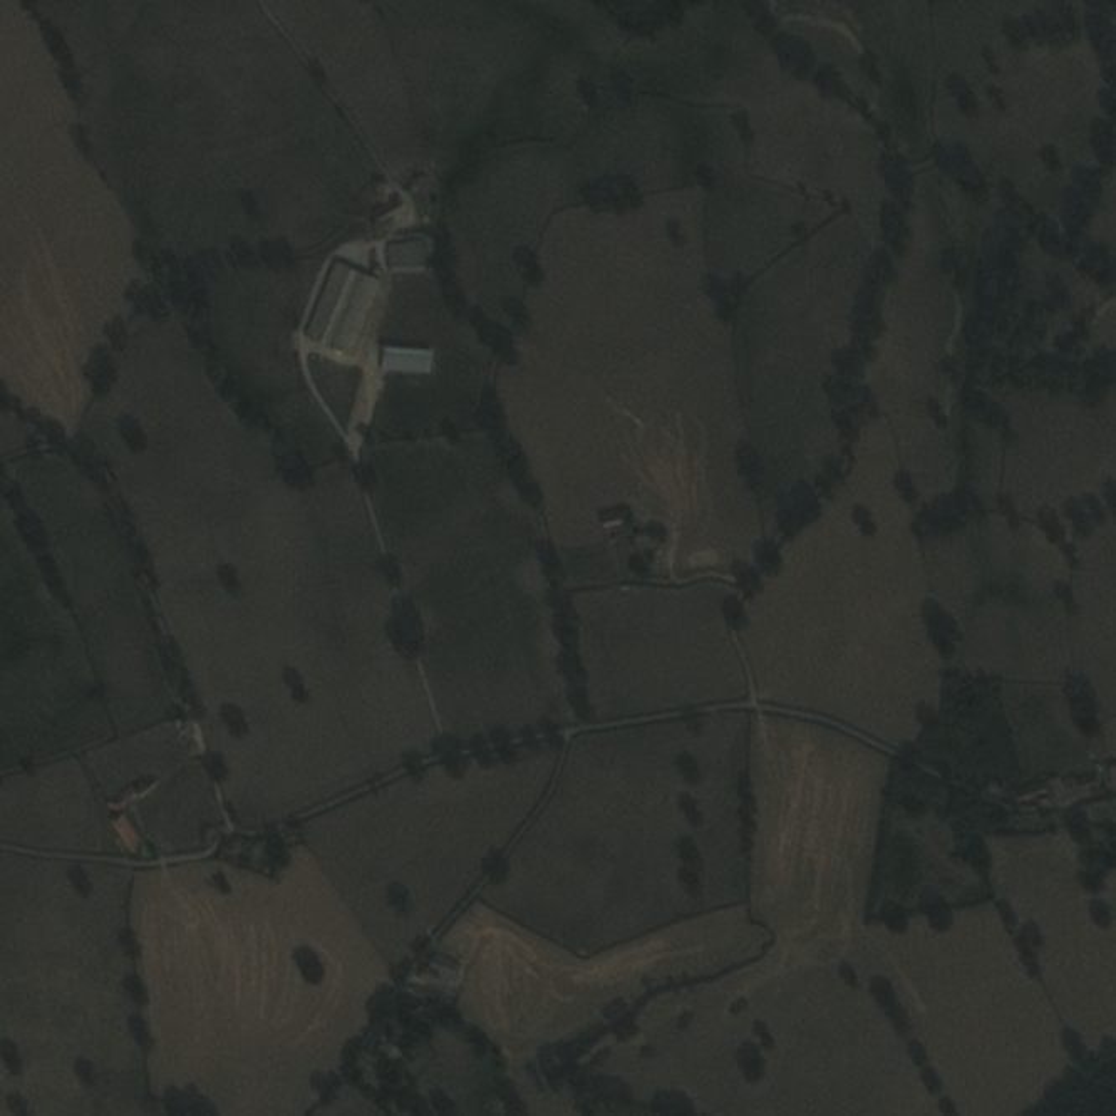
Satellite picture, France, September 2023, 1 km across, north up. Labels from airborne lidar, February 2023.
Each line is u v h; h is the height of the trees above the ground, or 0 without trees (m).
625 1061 0
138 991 16
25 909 0
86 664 0
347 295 0
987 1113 0
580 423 0
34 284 0
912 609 0
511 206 0
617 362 0
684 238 14
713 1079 0
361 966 0
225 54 0
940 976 0
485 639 0
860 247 0
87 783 0
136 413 0
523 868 0
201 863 0
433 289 0
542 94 0
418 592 0
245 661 0
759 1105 0
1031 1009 0
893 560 0
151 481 0
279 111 0
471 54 0
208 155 0
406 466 0
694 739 0
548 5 0
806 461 0
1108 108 18
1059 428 0
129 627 0
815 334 0
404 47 0
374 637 0
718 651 0
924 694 0
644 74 0
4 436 0
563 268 0
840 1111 0
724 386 0
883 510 0
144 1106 0
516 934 0
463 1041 0
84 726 0
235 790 0
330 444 0
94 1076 10
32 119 0
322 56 0
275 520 0
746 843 12
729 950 0
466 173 0
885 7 0
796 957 0
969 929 0
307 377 0
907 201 19
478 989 0
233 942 0
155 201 0
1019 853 0
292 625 0
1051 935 0
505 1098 19
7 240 0
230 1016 0
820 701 0
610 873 0
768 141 0
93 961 0
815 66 13
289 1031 0
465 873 0
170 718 7
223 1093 0
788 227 0
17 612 0
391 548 0
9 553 0
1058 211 0
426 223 0
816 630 0
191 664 0
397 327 0
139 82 0
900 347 0
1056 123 0
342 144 0
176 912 0
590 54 0
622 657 0
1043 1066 0
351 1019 0
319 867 0
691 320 0
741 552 0
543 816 0
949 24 0
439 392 0
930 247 0
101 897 0
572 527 0
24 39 0
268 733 0
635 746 0
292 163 0
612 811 0
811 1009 0
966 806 7
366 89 0
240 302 0
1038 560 0
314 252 0
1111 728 0
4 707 0
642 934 0
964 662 0
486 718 0
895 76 0
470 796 0
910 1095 0
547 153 0
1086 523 21
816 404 0
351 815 0
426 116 0
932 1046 0
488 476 0
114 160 0
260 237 0
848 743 0
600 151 0
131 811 0
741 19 0
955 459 0
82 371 0
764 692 0
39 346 0
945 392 0
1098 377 17
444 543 0
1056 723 0
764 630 0
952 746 0
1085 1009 0
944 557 0
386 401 0
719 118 0
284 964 0
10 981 0
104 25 0
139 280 0
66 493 0
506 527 0
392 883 0
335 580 0
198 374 0
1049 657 0
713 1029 0
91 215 0
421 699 0
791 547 0
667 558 0
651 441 0
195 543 0
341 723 0
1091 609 0
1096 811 0
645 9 21
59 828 0
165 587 0
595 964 0
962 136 0
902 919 16
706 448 0
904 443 0
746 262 0
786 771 0
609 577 0
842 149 0
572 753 0
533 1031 0
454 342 0
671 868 0
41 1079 0
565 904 0
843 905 0
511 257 0
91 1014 0
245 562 0
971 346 16
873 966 0
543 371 0
